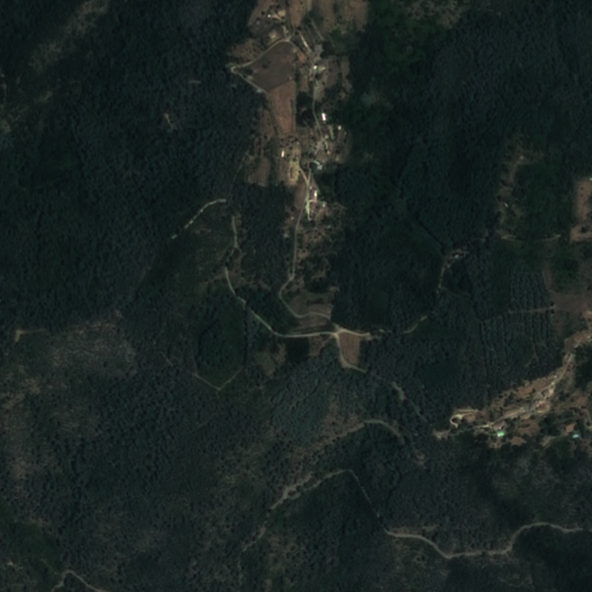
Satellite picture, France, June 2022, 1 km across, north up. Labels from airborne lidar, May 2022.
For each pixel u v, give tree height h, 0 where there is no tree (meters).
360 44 7
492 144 19
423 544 8
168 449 18
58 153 9
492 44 18
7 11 9
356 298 12
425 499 18
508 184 13
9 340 18
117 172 21
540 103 15
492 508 7
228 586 9
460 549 7
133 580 6
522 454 7
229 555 17
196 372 6
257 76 0
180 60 22
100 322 13
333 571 6
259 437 8
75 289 15
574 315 0
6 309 12
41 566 10
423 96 24
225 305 16
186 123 7
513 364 12
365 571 7
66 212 17
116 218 16
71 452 27
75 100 17
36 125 11
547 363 10
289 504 21
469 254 9
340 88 8
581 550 16
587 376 8
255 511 18
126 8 22
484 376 7
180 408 17
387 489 8
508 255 6
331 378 13
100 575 10
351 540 10
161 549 6
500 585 14
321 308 0
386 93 9
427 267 9
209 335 22
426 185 23
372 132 7
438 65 18
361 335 0
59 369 6
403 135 12
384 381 21
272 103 0
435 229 27
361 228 16
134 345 12
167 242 9
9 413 13
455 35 10
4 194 25
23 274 22
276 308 17
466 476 7
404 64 11
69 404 8
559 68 16
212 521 8
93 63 13
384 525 13
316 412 13
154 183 16
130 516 10
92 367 6
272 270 13
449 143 11
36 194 12
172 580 6
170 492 7
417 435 23
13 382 7
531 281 8
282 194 8
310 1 0
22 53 10
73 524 12
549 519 9
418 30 8
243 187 15
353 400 10
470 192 21
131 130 13
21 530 11
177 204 9
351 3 0
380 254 10
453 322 13
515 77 12
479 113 20
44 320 14
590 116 7
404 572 6
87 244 12
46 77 7
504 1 10
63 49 8
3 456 7
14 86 14
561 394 6
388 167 12
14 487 18
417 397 20
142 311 18
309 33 0
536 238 7
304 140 0
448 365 23
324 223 6
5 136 19
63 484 21
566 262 6
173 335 7
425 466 15
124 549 7
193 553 10
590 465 7
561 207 6
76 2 12
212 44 8
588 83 12
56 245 18
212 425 15
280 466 11
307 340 8
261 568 7
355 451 16
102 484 9
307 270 9
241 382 7
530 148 7
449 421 6
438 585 6
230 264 18
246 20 8
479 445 11
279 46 0
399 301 12
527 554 8
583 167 6
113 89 18
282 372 12
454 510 20
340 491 24
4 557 18
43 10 7
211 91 13
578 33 19
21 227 18
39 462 16
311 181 0
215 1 6
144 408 20
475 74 16
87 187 16
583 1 8
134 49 10
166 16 13
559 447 7
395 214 16
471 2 7
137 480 8
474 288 20
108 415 10
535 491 8
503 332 12
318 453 19
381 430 14
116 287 16
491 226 7
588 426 7
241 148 7
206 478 11
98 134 19
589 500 8
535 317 10
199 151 19
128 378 10
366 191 22
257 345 19
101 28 9
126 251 18
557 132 14
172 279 8
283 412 11
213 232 6
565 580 13
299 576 18
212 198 13
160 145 14
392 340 20
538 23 14
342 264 12
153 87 21
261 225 13
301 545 18
